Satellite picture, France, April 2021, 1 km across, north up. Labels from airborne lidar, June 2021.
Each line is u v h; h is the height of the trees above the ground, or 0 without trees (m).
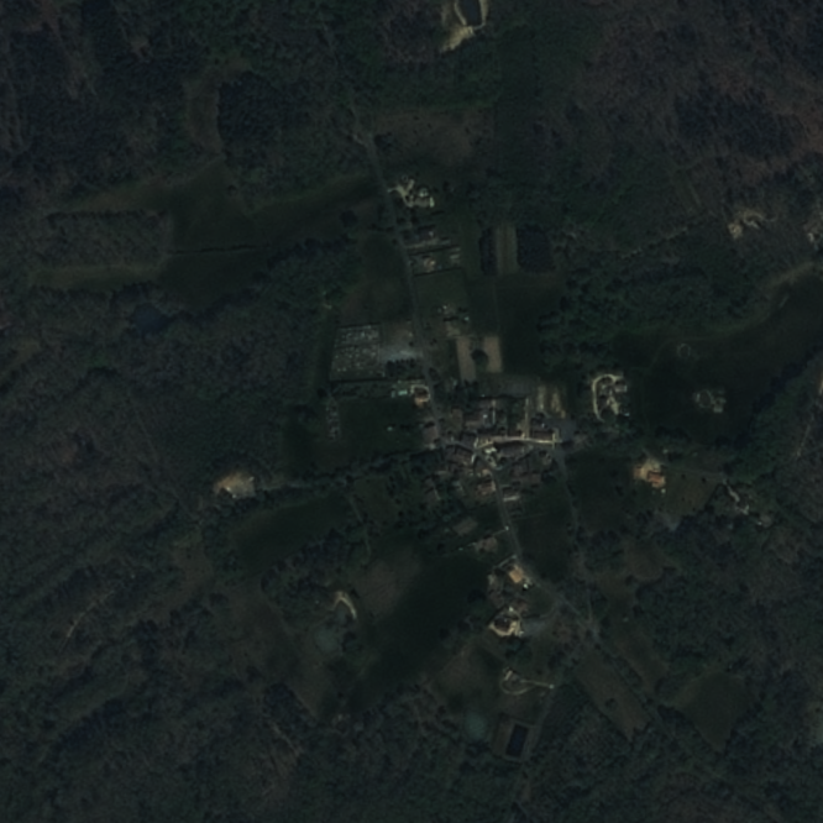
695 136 16
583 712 15
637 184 11
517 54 7
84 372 22
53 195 12
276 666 0
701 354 0
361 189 0
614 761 6
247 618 0
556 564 0
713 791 8
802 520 18
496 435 0
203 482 12
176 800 21
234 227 0
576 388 0
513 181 6
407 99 16
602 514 0
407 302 0
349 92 17
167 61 16
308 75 10
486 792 16
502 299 0
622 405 8
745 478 17
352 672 0
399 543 0
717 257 8
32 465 14
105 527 9
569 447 6
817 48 12
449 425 0
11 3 20
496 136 6
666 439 18
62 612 12
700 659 13
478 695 0
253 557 0
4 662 25
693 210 0
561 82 14
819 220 0
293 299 20
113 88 19
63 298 17
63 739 8
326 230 0
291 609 17
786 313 0
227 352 9
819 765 20
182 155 25
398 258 0
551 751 12
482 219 10
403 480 7
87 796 17
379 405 0
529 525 0
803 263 20
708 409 0
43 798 15
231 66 0
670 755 17
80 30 8
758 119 16
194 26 18
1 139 8
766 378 0
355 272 17
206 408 12
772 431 16
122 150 19
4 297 17
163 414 15
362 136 11
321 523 0
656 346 0
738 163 8
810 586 16
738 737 16
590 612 15
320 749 16
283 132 15
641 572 0
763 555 13
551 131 11
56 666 16
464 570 0
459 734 17
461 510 9
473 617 13
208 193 0
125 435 18
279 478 15
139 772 15
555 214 8
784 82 16
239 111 22
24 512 20
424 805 21
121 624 17
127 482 10
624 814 25
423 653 0
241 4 16
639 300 20
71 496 19
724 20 13
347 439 0
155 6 11
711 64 11
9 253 17
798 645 19
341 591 0
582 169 20
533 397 0
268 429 14
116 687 19
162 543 20
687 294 20
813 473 9
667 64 12
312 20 6
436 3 14
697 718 0
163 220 16
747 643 17
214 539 11
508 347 0
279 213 0
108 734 21
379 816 20
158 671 20
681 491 0
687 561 21
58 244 8
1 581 17
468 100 19
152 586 21
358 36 19
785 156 13
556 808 24
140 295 20
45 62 18
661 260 10
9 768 27
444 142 0
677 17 13
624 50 8
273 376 14
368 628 0
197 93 15
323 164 18
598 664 0
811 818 22
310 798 17
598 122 13
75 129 12
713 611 16
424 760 19
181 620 11
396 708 17
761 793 19
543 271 14
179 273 0
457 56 13
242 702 19
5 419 13
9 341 19
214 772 23
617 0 12
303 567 17
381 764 9
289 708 17
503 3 17
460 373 0
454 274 0
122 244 12
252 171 17
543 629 0
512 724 15
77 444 13
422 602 0
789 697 24
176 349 19
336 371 0
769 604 15
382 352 0
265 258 0
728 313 18
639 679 12
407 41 15
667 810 7
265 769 18
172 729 19
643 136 11
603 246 9
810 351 0
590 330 15
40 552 20
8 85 9
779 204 12
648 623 16
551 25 17
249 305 22
